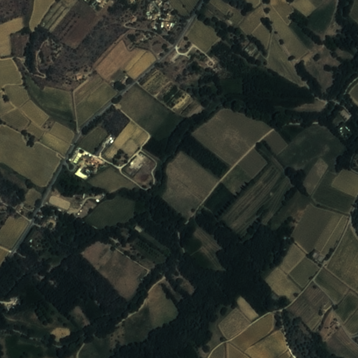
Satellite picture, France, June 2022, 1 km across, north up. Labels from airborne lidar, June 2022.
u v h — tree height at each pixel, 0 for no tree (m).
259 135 0
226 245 20
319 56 13
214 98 14
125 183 0
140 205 0
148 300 0
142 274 0
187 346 8
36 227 7
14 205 11
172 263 23
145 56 0
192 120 16
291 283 0
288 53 0
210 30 0
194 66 15
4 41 0
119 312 14
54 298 26
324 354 9
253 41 10
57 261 0
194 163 0
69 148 0
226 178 0
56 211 12
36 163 0
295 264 0
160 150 8
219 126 0
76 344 15
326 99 16
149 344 27
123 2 7
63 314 16
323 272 0
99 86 0
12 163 0
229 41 6
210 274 22
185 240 19
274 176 0
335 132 20
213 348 0
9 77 0
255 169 0
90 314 8
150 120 0
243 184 0
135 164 0
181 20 14
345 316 0
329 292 0
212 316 19
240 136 0
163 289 6
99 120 12
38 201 15
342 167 20
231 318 0
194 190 0
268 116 31
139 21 7
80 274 28
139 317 0
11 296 16
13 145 0
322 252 0
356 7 0
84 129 13
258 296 12
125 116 8
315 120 20
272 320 0
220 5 0
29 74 13
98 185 0
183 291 14
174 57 0
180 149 14
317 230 0
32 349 0
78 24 0
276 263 18
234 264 30
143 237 11
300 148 0
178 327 24
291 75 0
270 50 0
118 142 0
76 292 26
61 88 0
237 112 16
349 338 0
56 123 0
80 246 21
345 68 12
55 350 6
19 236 0
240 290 15
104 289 25
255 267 21
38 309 14
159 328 10
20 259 13
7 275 24
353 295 0
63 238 19
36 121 0
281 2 0
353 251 0
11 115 0
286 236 13
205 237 0
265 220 0
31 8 0
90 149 0
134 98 0
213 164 8
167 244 16
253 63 17
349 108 17
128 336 0
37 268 15
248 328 0
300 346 13
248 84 13
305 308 0
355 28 19
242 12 11
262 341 0
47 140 0
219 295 18
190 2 0
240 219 0
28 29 10
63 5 0
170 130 0
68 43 0
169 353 22
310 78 11
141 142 0
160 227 16
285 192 0
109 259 0
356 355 0
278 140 0
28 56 8
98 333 18
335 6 0
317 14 0
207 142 0
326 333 0
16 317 0
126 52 0
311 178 0
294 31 0
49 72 8
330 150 0
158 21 9
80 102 0
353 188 0
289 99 9
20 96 0
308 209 0
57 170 0
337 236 0
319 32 0
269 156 0
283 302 9
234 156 0
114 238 10
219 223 13
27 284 20
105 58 0
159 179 12
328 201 0
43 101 0
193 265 22
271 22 12
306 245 0
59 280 22
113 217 0
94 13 0
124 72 8
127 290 0
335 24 0
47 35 7
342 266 0
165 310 0
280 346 0
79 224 20
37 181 0
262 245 23
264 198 0
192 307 20
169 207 17
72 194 7
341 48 14
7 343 0
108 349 0
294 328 11
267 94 14
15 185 14
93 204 0
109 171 0
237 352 0
